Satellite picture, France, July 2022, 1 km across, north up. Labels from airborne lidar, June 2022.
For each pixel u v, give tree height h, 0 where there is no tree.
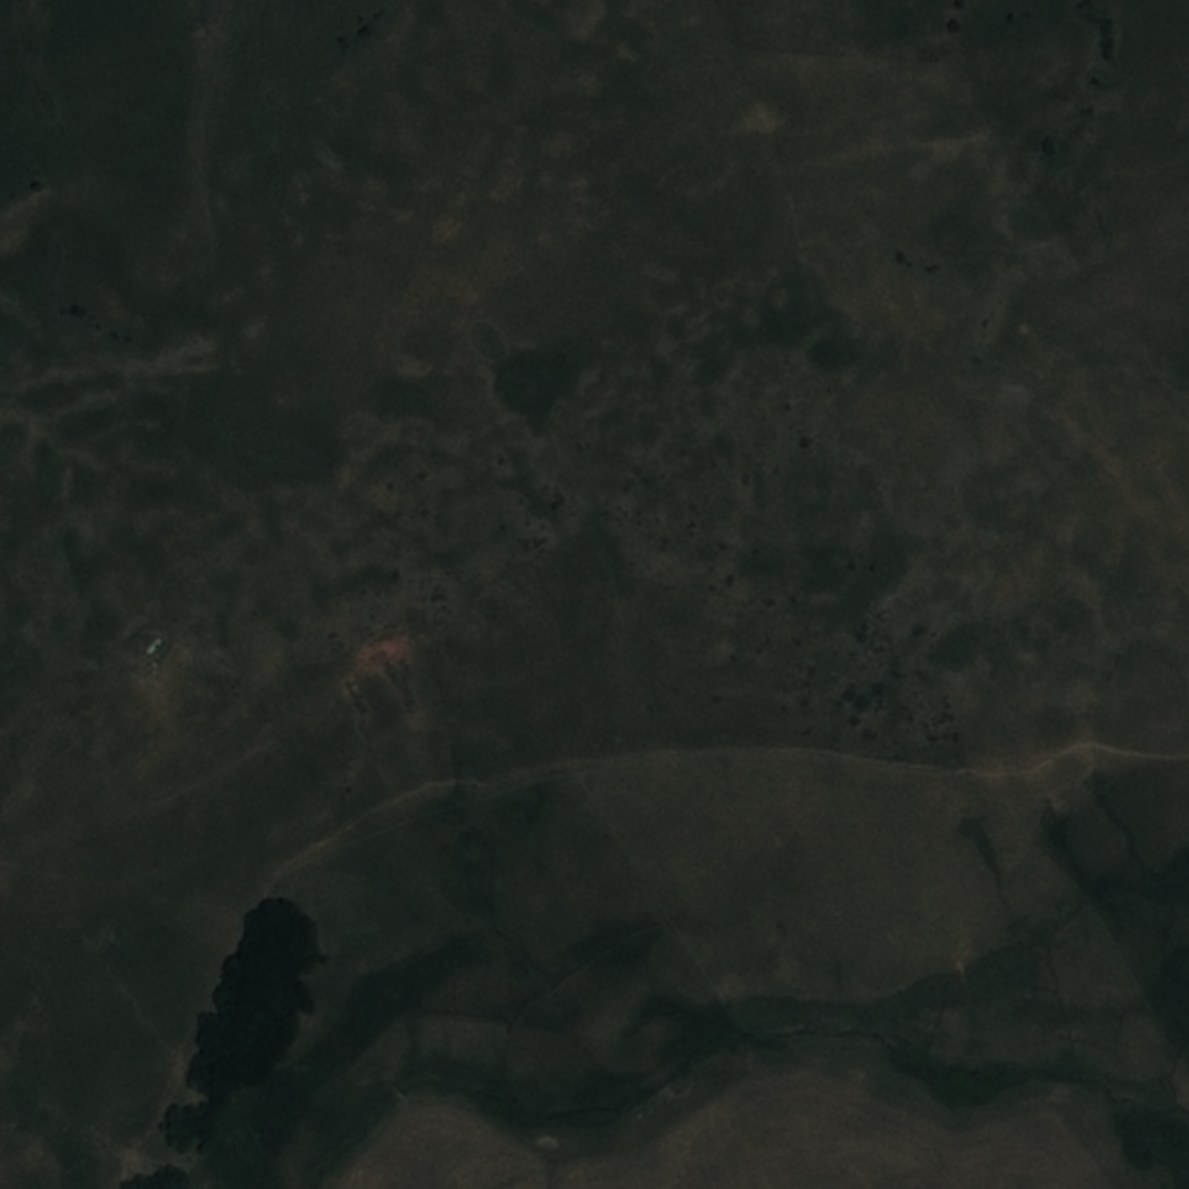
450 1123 0
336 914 0
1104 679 0
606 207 0
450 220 0
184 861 0
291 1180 0
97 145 0
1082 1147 0
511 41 0
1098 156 0
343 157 0
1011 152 0
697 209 0
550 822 0
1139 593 0
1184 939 0
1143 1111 0
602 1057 0
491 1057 0
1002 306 0
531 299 0
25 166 0
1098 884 0
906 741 0
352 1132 0
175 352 0
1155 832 0
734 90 0
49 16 0
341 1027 0
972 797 0
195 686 0
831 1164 0
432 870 0
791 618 0
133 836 0
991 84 0
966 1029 0
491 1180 0
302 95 0
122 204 0
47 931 0
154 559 0
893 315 0
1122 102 0
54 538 0
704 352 0
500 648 0
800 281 0
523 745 0
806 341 0
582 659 0
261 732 0
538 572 0
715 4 0
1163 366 0
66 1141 0
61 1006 0
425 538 0
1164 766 0
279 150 0
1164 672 0
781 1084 0
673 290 0
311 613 0
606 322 0
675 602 0
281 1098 0
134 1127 0
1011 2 0
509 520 0
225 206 0
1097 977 0
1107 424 0
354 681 0
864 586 0
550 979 0
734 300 0
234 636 0
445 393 0
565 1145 0
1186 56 0
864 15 0
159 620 0
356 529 0
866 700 0
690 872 0
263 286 0
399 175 0
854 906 0
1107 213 0
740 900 0
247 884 0
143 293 0
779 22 0
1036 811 0
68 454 0
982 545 0
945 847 0
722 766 0
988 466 0
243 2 0
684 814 0
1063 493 0
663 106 0
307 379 0
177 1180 9
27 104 0
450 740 0
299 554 0
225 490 0
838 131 0
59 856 0
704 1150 0
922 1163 0
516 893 0
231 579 0
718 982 0
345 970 0
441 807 0
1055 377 0
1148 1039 0
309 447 0
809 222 0
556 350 0
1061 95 0
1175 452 0
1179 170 0
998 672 0
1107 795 0
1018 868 0
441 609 0
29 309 0
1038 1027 0
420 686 0
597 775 0
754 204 0
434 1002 0
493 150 0
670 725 0
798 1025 0
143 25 0
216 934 0
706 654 0
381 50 0
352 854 0
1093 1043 0
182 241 0
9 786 0
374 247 0
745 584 0
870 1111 0
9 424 0
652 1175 0
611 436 0
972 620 0
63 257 0
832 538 0
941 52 0
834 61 0
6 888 0
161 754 0
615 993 0
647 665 0
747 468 0
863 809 0
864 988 0
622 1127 0
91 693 0
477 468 0
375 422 0
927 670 0
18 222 0
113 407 0
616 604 0
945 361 0
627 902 0
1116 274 0
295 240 0
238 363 0
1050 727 0
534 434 0
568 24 0
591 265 0
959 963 0
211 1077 13
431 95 0
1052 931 0
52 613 0
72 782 0
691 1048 0
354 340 0
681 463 0
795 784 0
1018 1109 0
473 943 0
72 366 0
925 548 0
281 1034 23
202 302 0
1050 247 0
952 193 0
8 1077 0
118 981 0
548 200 0
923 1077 0
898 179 0
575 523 0
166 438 0
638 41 0
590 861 0
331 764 0
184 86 0
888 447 0
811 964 0
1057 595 0
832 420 0
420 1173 0
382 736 0
